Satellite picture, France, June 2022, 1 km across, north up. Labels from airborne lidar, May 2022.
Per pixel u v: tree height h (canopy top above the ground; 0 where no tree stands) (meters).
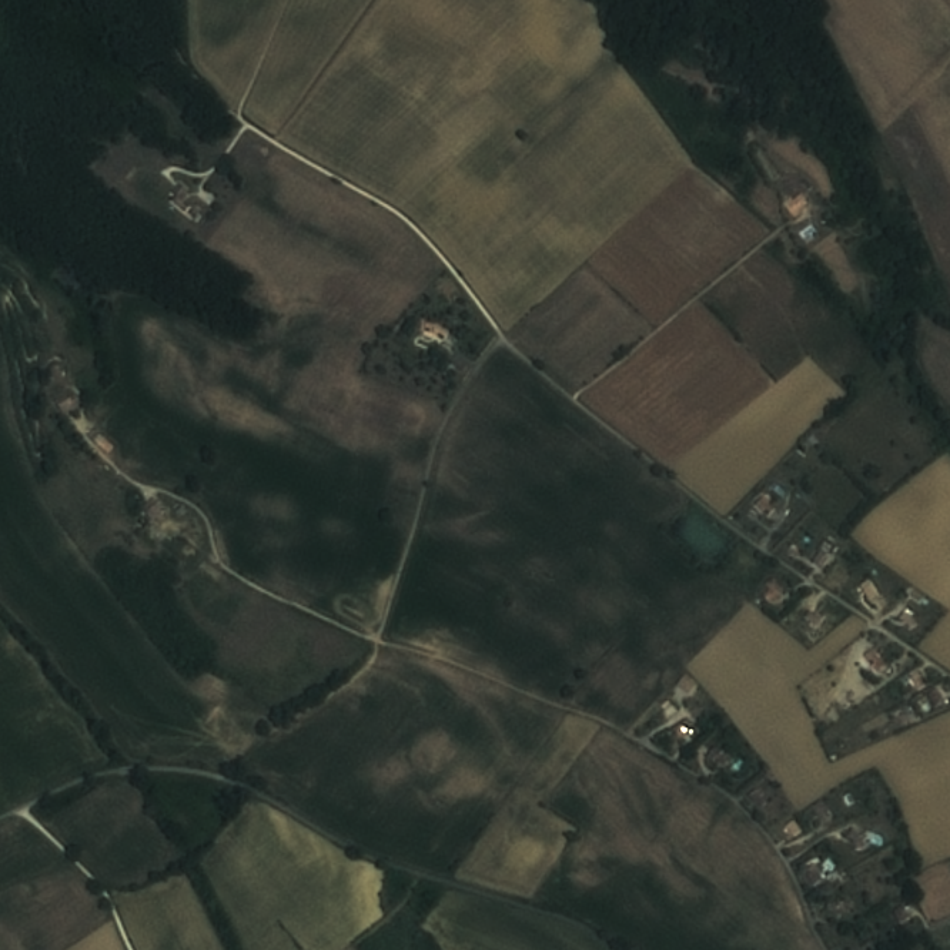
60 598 0
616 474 0
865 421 0
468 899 0
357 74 0
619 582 0
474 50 0
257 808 0
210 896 10
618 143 0
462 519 0
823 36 10
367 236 0
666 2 16
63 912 0
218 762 0
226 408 0
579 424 0
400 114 0
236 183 11
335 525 0
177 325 0
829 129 11
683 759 8
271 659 0
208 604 0
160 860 0
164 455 0
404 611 0
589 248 0
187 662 7
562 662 0
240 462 0
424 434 0
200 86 13
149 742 0
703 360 0
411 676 0
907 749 0
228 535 0
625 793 0
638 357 0
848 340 0
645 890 0
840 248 0
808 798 0
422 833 0
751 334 0
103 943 0
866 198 11
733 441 0
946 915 0
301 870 0
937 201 0
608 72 0
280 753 0
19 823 0
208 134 16
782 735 0
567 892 0
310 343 0
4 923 0
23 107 14
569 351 0
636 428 0
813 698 0
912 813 0
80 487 0
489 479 0
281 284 0
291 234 0
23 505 0
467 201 0
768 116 19
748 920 0
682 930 0
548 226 0
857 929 13
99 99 19
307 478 0
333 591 0
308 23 0
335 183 9
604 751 0
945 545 0
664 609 0
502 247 0
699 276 0
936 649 0
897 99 0
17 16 15
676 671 0
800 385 0
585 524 0
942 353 0
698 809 0
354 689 0
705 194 0
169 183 0
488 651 0
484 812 0
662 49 15
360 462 0
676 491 0
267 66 0
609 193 0
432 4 0
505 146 0
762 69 27
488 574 0
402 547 0
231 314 13
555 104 0
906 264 12
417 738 0
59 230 16
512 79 0
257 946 0
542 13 0
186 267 17
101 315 14
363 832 0
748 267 0
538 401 0
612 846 0
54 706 0
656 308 0
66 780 0
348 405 0
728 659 0
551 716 0
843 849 0
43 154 13
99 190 14
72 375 0
